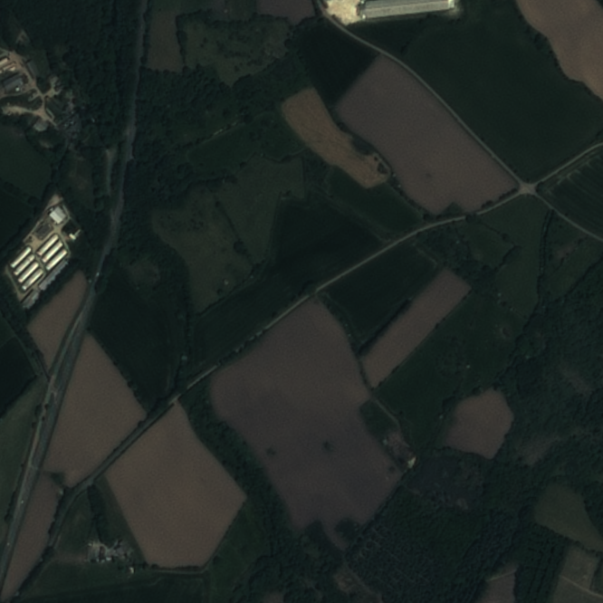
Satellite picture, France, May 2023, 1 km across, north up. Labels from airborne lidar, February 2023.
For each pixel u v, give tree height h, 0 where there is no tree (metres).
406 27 0
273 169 0
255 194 0
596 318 6
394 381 0
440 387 0
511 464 6
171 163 8
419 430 0
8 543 0
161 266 15
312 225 0
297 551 16
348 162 0
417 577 11
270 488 14
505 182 0
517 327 0
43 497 0
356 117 0
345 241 0
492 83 0
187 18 8
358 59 0
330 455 0
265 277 0
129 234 16
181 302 0
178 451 0
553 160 0
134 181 19
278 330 0
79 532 0
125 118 18
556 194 0
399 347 0
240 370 0
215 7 0
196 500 0
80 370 0
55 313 0
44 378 0
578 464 7
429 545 7
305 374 0
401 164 0
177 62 0
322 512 0
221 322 0
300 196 0
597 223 0
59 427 0
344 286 0
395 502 7
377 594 8
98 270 0
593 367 9
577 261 0
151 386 0
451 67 0
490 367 0
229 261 0
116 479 0
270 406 0
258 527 0
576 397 8
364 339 0
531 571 17
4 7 15
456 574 8
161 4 0
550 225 9
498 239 0
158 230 0
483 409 0
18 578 0
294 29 7
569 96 0
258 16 7
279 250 0
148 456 0
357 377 0
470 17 0
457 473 7
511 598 0
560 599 0
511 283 0
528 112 0
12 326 13
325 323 0
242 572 0
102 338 0
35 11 15
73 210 9
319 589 18
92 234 15
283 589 12
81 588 0
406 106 0
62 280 15
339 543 0
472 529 15
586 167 0
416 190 0
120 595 0
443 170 0
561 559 17
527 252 0
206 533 0
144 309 0
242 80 9
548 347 13
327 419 0
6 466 0
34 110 0
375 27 0
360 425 0
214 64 0
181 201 11
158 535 0
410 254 0
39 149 10
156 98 7
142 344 0
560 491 0
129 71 20
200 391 6
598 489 8
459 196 0
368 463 0
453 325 0
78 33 23
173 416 0
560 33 0
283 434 0
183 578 0
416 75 0
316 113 0
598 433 11
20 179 0
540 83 0
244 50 0
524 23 7
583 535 0
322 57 0
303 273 0
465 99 0
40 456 0
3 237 0
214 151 0
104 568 0
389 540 11
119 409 0
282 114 0
